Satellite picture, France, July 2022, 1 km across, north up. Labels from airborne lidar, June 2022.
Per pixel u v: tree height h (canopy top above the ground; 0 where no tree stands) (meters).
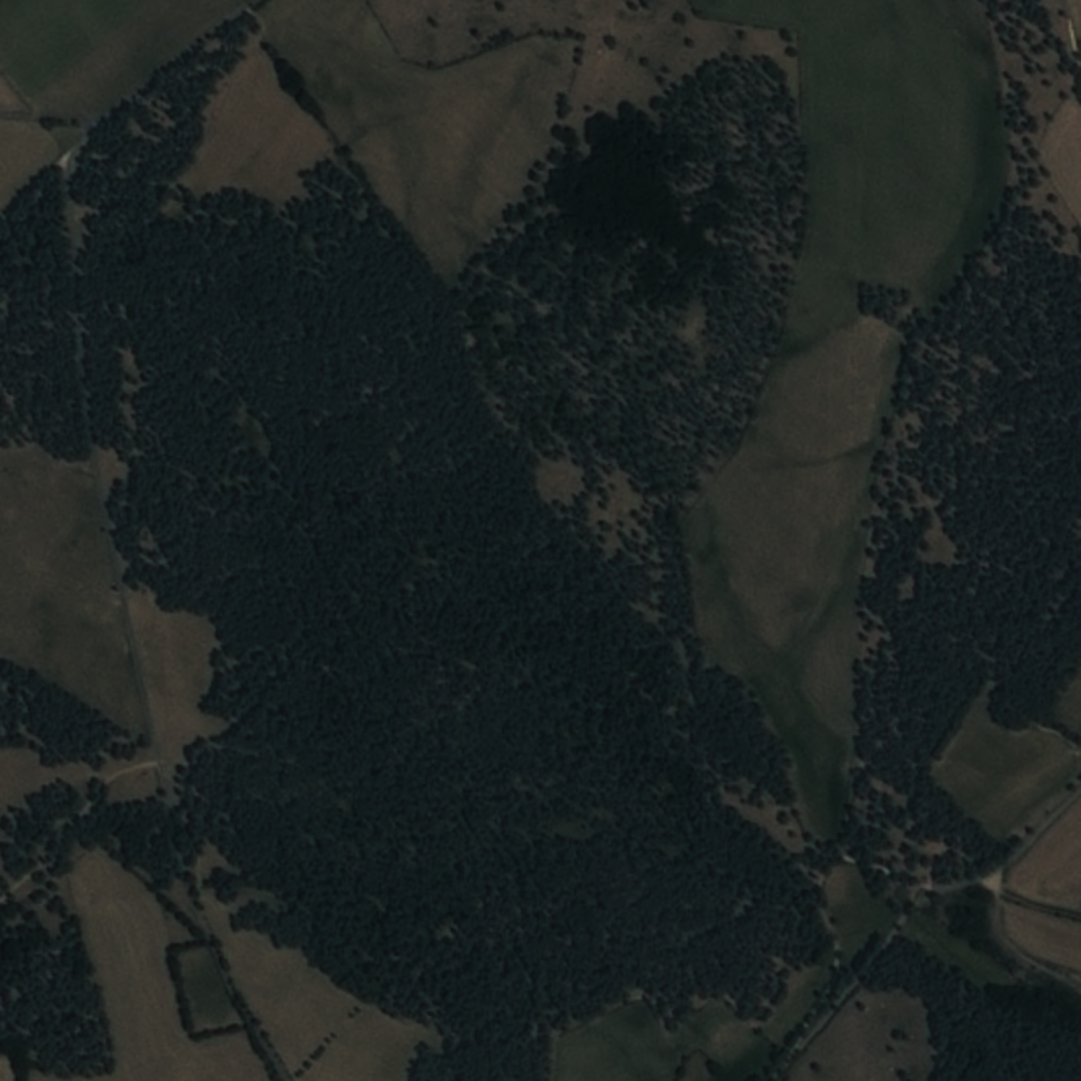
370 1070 0
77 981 19
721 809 17
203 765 18
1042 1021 11
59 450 19
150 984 0
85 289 22
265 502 16
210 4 0
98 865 0
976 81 0
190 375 17
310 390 18
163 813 17
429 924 22
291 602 18
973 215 0
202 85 20
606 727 13
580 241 17
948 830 18
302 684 22
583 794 22
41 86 0
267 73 0
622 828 18
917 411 11
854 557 0
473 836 19
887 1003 0
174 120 22
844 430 0
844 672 0
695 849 22
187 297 14
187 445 22
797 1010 0
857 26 0
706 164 13
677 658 16
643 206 17
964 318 16
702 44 0
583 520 13
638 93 0
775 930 18
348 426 20
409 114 0
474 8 0
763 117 18
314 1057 7
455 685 16
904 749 21
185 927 10
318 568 21
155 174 23
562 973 21
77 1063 14
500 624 22
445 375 15
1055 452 15
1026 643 20
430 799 21
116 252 17
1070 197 0
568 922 21
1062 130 0
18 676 14
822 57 0
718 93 13
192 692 0
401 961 22
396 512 25
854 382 0
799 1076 0
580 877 15
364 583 20
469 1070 22
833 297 0
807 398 0
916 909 22
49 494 0
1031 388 20
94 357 17
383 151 0
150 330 19
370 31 0
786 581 0
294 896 16
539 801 15
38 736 12
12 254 19
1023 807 0
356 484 22
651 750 17
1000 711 19
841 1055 0
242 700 20
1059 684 21
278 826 20
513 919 18
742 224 15
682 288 17
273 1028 0
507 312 17
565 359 13
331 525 18
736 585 0
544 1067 10
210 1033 9
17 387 14
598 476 15
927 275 0
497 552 19
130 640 0
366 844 20
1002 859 16
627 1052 0
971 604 20
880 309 7
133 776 0
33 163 0
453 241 0
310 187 13
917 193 0
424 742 16
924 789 17
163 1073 0
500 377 16
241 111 0
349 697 19
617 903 17
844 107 0
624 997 11
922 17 0
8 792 0
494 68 0
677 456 19
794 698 0
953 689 17
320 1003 0
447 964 18
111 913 0
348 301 18
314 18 0
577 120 0
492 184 0
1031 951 0
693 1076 0
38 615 0
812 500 0
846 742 0
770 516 0
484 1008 23
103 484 0
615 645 23
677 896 20
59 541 0
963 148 0
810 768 0
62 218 13
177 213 0
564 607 21
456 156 0
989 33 0
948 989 13
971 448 18
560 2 0
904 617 14
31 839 13
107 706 0
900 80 0
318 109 11
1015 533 13
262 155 0
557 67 0
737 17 0
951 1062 23
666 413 18
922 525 18
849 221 0
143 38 0
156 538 15
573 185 15
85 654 0
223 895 17
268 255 20
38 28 0
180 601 14
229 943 0
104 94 0
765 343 16
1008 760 0
